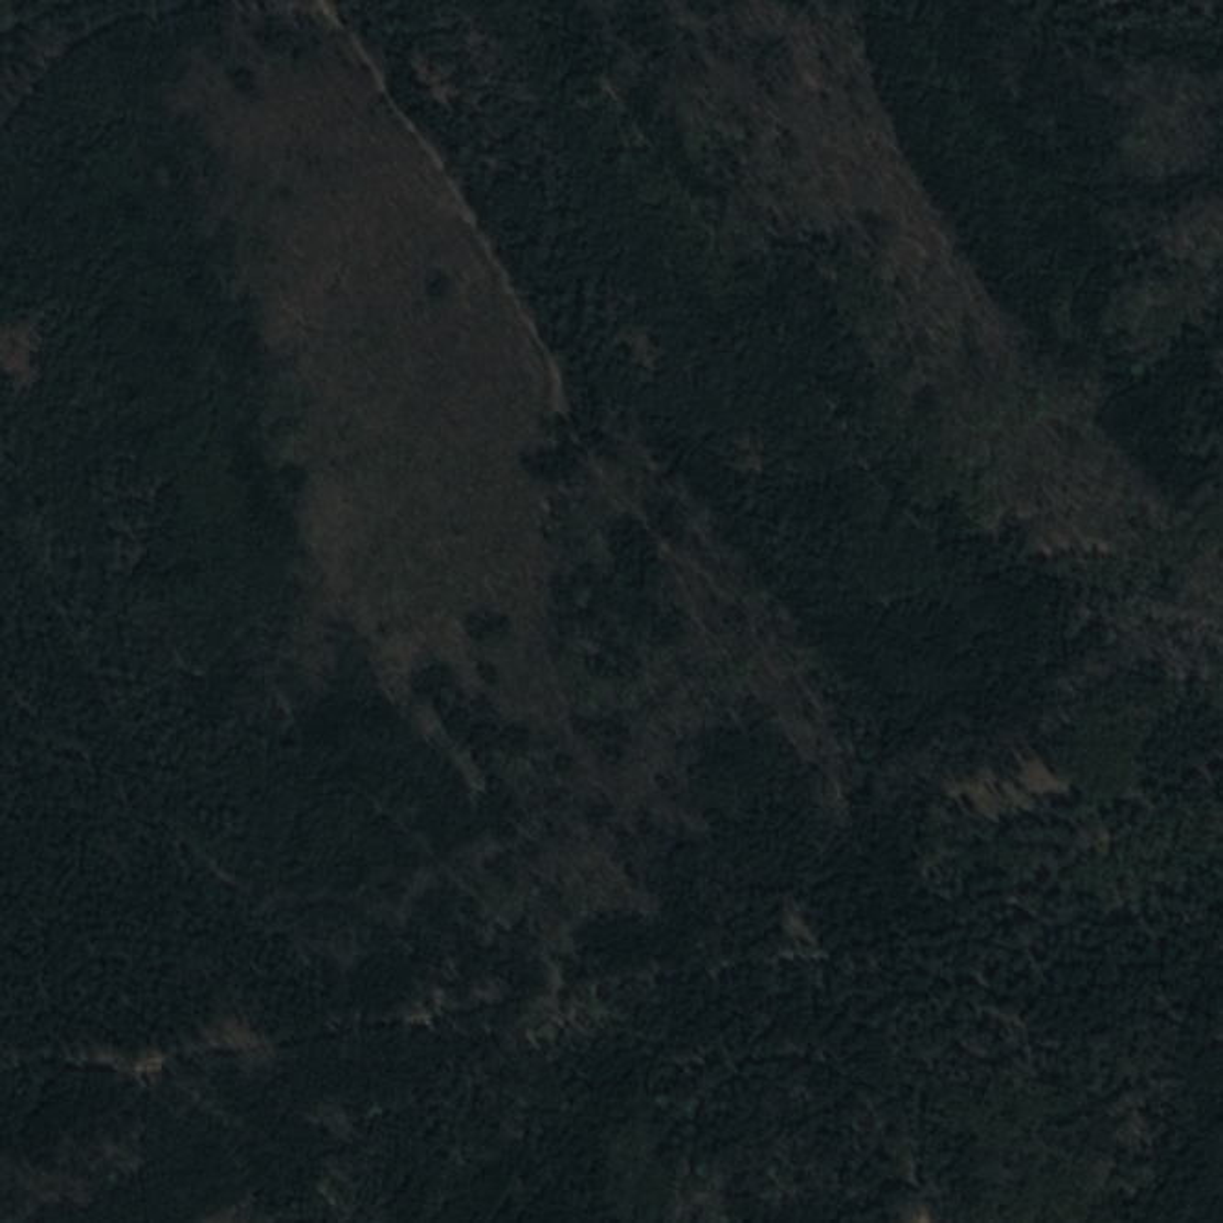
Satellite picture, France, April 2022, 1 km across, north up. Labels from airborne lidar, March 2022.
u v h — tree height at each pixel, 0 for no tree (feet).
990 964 82
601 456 47
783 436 31
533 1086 70
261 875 59
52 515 103
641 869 72
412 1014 48
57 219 45
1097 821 73
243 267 43
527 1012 72
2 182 54
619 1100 73
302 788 42
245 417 46
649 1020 85
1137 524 64
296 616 39
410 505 52
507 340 63
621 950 57
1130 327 61
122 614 42
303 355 42
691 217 51
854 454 42
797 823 64
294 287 50
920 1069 62
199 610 53
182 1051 83
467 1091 74
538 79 34
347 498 44
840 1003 78
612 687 47
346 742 50
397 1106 70
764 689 74
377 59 53
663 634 60
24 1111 72
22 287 35
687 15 68
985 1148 83
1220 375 72
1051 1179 51
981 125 47
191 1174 52
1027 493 68
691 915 76
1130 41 45
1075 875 42
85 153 40
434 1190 70
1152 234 56
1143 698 62
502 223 33
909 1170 26
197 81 40
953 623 52
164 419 46
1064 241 54
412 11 40
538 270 45
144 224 51
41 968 88
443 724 48
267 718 48
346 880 47
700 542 62
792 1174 61
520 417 60
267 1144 54
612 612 47
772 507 37
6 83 79
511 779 46
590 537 60
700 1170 61
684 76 56
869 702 68
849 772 73
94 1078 64
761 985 78
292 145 47
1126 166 56
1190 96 19
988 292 74
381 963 53
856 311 45
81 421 45
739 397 32
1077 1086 23
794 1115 72
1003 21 55
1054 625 55
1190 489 71
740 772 66
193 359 49
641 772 62
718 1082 71
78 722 90
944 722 68
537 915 53
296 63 53
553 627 55
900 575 48
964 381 64
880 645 48
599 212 44
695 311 48
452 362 65
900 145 88
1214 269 77
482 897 45
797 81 77
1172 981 94
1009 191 55
